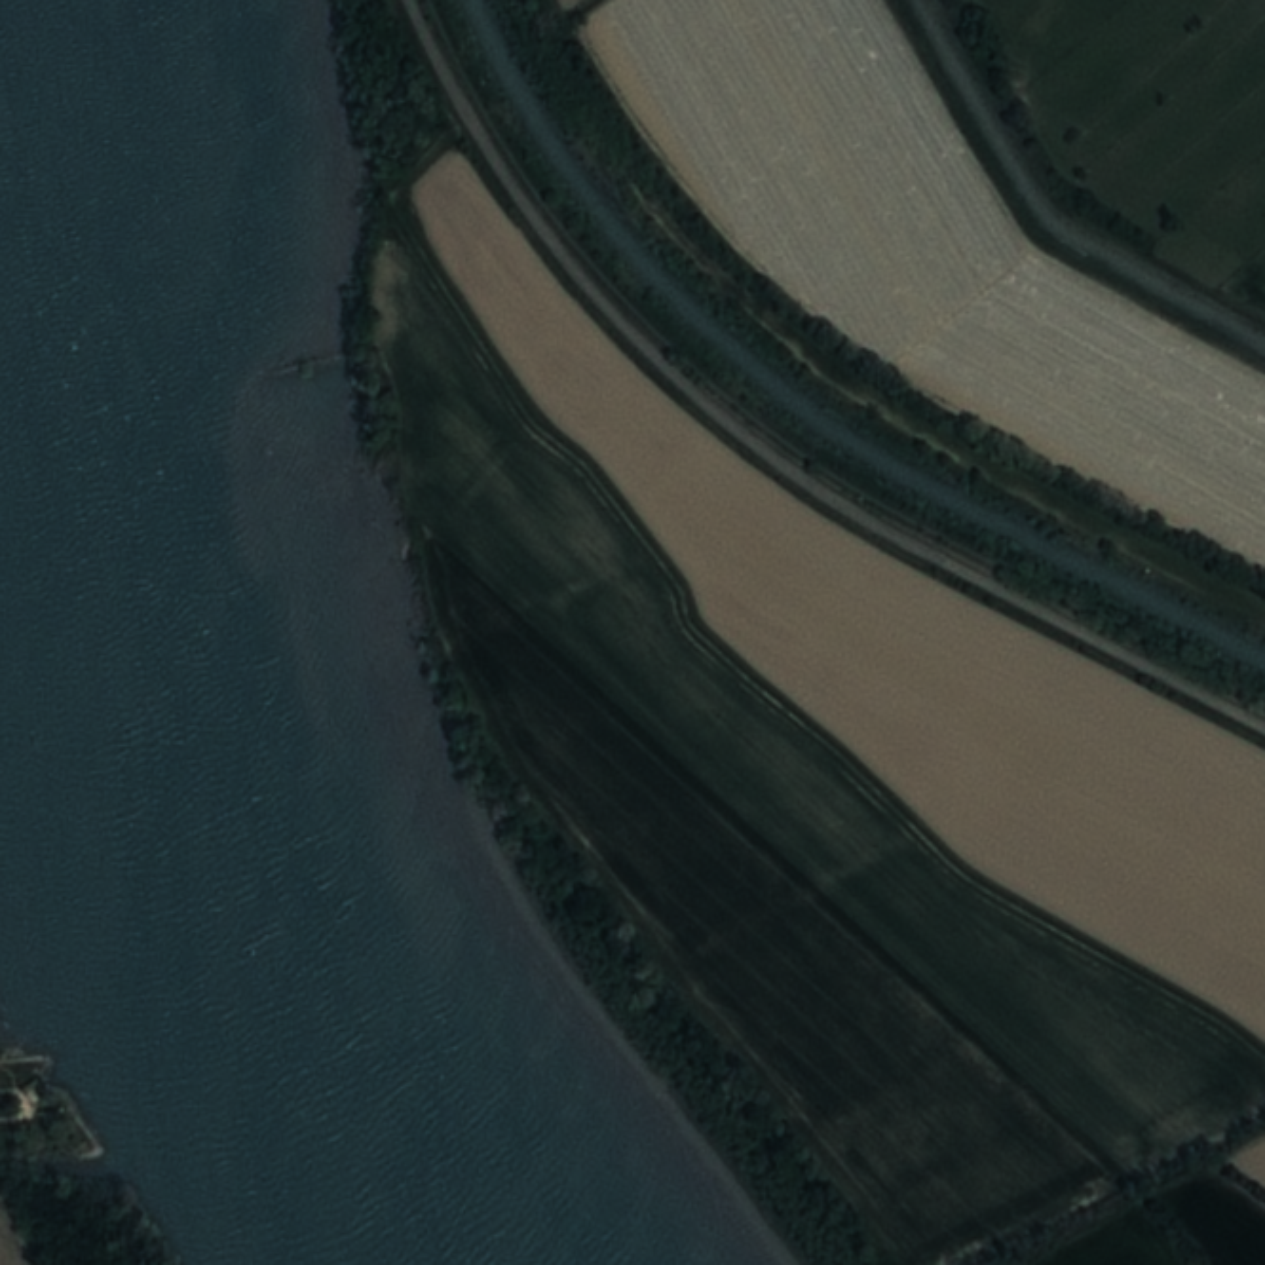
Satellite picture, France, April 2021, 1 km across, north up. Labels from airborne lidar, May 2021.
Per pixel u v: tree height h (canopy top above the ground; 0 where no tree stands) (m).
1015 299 0
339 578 0
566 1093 0
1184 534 11
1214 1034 0
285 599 0
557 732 0
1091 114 0
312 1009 0
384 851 0
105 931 0
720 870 0
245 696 0
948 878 0
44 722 0
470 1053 0
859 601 0
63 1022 0
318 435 0
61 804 0
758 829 0
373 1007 0
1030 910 0
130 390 0
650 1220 0
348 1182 0
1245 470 0
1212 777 0
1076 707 0
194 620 0
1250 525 0
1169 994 0
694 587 0
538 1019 0
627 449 0
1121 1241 0
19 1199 16
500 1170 0
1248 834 0
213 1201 0
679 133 0
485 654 0
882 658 0
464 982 0
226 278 0
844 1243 14
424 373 0
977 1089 0
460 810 0
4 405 0
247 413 0
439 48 0
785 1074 0
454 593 0
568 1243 0
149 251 0
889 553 0
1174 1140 0
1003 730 0
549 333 0
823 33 0
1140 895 0
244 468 0
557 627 0
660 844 0
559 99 10
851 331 0
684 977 0
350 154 0
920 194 0
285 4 0
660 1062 11
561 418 0
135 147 0
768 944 0
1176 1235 16
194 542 0
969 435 15
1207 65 0
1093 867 0
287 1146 0
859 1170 0
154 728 0
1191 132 0
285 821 0
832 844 0
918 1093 0
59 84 0
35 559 0
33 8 0
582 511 0
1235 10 0
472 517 0
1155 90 0
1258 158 0
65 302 0
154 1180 0
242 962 0
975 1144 0
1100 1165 0
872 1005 0
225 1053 0
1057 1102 0
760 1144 6
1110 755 0
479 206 0
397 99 16
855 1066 0
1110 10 0
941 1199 0
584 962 14
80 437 0
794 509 0
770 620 0
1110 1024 0
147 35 0
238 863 0
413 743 0
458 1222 0
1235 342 0
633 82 0
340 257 0
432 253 0
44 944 0
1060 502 0
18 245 0
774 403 6
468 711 12
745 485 0
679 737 0
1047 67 0
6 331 0
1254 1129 15
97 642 0
